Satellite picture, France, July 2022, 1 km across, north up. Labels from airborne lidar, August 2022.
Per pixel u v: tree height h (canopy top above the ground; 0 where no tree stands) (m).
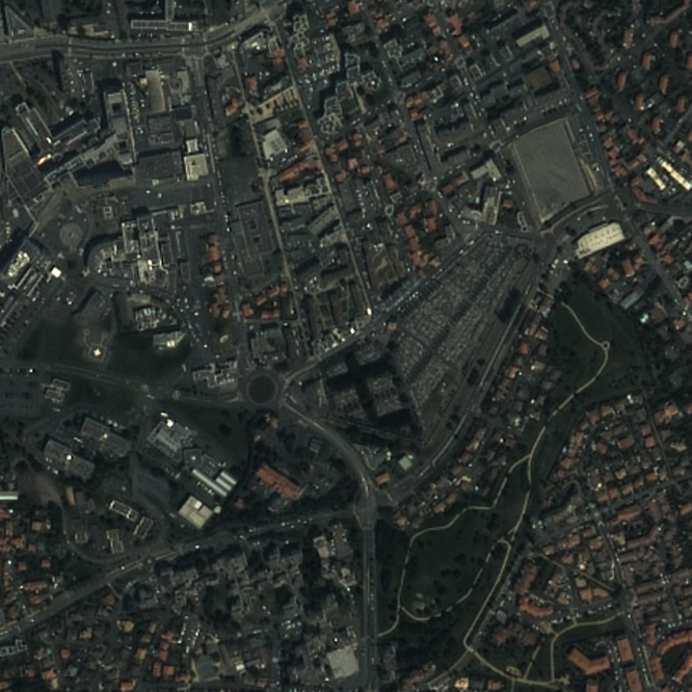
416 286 0
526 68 9
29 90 12
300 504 12
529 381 0
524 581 0
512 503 0
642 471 6
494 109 16
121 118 0
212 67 0
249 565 15
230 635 0
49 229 0
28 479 0
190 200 0
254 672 14
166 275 0
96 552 0
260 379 0
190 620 0
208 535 6
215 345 0
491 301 0
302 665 0
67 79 0
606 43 8
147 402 0
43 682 7
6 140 0
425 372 0
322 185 0
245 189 0
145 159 0
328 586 8
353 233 0
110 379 0
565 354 9
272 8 0
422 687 0
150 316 0
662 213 0
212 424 0
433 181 0
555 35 0
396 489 0
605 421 8
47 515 6
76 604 7
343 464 12
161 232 0
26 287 0
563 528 0
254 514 13
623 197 0
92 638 9
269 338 9
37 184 0
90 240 0
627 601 0
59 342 0
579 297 0
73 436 0
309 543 8
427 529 0
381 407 0
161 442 0
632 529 8
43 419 0
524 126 6
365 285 0
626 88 0
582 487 8
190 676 7
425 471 0
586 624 0
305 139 0
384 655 0
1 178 0
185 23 0
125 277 0
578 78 11
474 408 0
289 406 0
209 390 0
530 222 0
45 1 0
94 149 0
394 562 11
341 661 0
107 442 0
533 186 0
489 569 0
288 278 0
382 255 0
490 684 0
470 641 7
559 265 0
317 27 0
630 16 8
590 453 7
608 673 11
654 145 7
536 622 0
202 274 11
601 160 0
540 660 0
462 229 0
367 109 0
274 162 0
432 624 12
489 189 0
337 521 9
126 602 17
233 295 0
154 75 0
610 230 0
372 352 0
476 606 0
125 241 0
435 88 0
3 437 7
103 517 9
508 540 8
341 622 0
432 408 0
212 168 0
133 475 0
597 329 0
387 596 0
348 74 0
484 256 0
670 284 0
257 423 9
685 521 6
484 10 6
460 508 9
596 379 8
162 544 0
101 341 0
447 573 10
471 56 0
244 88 7
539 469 0
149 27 0
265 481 0
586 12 6
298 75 0
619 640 0
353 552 6
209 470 0
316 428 0
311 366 0
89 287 0
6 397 8
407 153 0
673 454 8
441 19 0
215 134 7
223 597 0
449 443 0
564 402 0
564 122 0
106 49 0
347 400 0
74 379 0
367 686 0
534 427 0
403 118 0
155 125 0
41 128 0
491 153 14
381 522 9
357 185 0
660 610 7
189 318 0
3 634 0
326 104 0
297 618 7
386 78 0
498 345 0
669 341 6
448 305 0
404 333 0
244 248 0
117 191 0
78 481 12
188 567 0
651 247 8
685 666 0
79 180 0
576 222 0
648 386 8
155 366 0
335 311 0
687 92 8
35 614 0
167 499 0
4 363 0
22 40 0
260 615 0
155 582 0
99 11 11
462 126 0
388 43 0
